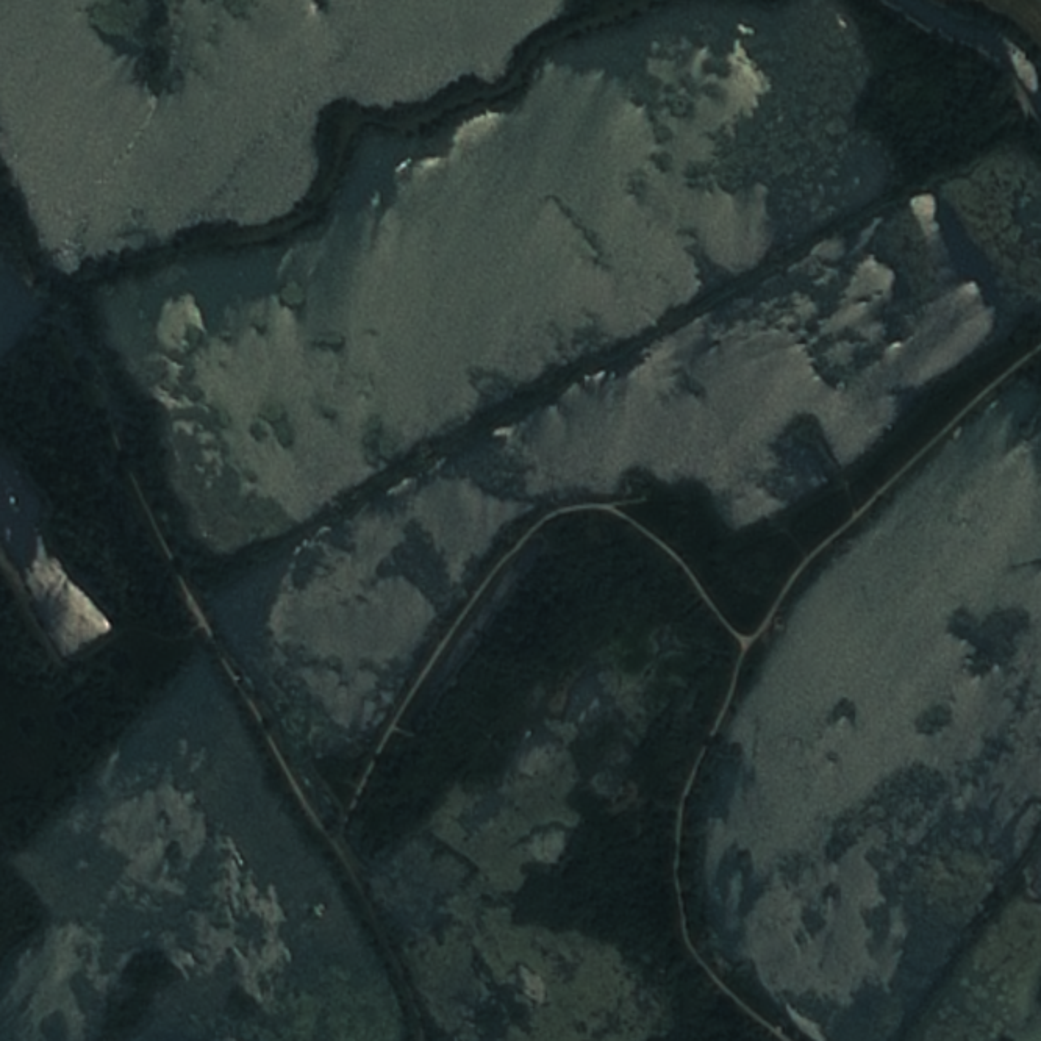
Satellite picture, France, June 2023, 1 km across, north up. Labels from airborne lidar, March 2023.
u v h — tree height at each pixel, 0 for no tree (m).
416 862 0
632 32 0
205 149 0
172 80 0
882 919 0
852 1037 0
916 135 8
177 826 0
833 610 0
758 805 0
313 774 6
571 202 0
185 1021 0
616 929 11
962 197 0
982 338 0
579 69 0
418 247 0
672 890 10
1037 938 0
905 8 0
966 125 10
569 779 0
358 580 0
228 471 0
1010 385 0
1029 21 0
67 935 0
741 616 0
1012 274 0
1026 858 0
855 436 0
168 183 0
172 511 6
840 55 0
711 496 0
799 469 0
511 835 0
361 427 0
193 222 0
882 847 0
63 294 18
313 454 0
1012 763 0
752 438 0
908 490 0
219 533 0
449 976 0
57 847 0
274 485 0
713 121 0
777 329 0
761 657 0
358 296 0
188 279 0
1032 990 0
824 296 0
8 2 0
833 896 0
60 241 0
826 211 0
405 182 0
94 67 0
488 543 0
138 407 8
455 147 0
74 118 0
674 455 0
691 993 7
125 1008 6
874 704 0
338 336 0
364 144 0
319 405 0
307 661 0
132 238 0
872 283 0
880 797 0
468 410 0
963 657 0
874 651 0
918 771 0
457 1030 0
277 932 0
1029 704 0
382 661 0
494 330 0
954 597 0
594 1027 0
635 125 0
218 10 0
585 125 0
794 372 0
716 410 0
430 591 0
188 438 0
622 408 0
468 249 0
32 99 0
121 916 0
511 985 0
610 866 9
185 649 0
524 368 0
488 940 0
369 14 0
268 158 0
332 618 0
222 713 0
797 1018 0
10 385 14
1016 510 0
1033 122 11
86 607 0
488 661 6
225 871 0
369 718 0
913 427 0
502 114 0
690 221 0
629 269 0
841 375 0
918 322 0
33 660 14
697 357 0
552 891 8
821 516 0
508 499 0
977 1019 0
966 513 0
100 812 0
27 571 0
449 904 0
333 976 0
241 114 0
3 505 0
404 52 0
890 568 0
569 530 7
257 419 0
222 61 0
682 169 0
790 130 0
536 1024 0
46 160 0
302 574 0
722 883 0
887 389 0
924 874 0
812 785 0
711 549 6
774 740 0
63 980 0
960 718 0
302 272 0
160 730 0
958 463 0
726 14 0
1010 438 0
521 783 0
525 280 0
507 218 0
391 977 6
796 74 0
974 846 0
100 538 8
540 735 0
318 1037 0
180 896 0
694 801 9
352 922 0
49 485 12
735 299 0
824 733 0
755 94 0
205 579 9
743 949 0
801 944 0
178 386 0
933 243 0
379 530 0
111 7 0
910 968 0
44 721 0
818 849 0
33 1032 0
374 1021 0
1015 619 0
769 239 0
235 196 0
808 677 0
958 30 0
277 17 0
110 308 0
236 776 0
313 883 0
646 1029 0
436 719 8
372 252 0
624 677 0
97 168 0
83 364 12
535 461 0
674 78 0
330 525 0
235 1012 0
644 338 0
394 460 0
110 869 0
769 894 0
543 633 8
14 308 0
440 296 0
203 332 0
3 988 0
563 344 0
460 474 0
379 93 0
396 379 0
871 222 0
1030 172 0
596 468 0
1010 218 0
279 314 0
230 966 0
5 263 0
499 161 0
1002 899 8
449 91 9
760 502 0
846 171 0
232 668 0
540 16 0
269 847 0
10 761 0
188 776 0
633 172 0
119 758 0
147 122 0
